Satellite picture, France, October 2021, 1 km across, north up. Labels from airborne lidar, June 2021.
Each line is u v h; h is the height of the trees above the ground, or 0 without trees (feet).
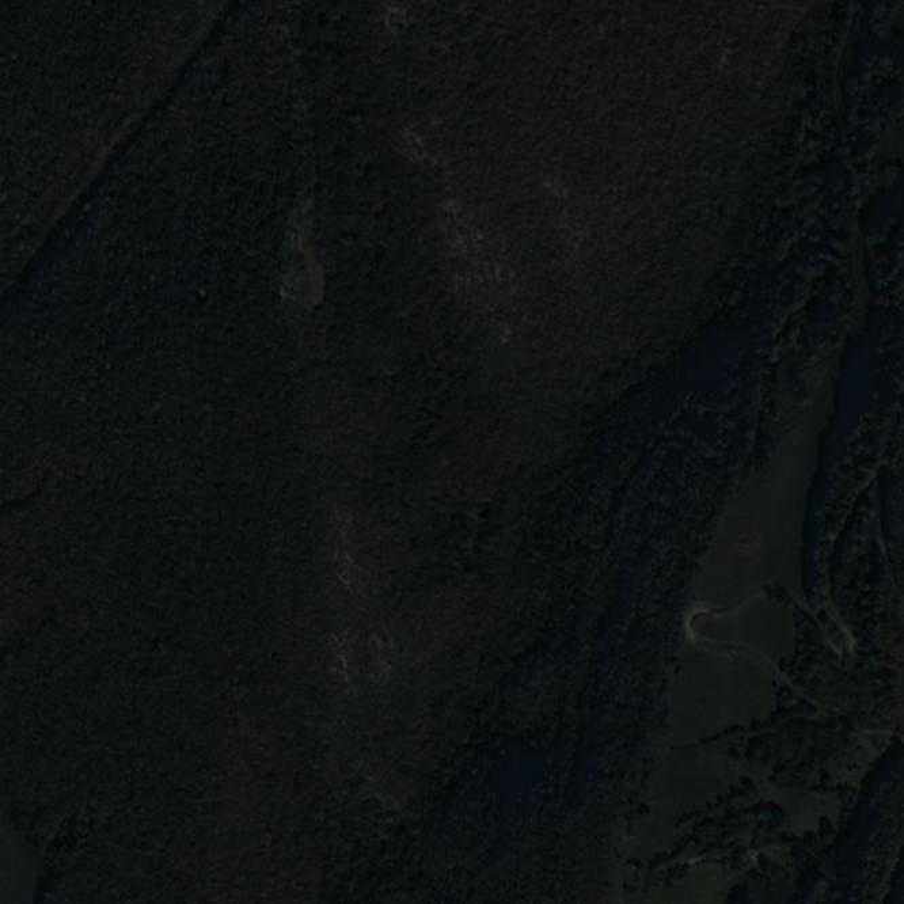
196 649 76
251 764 36
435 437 67
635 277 43
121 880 69
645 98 35
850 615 24
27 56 53
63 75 77
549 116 33
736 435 65
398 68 33
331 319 41
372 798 67
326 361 38
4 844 0
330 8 64
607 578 74
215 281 91
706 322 101
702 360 81
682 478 104
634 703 92
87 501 67
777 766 22
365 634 23
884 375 66
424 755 61
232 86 80
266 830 39
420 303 66
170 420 55
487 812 65
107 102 68
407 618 51
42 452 60
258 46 73
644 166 31
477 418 79
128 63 56
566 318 35
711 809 24
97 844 62
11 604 73
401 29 28
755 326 85
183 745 64
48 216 61
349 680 20
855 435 81
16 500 38
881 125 34
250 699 54
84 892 67
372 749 28
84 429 58
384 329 63
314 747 73
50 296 72
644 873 32
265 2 57
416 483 61
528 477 71
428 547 69
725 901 0
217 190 81
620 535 67
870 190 0
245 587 62
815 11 65
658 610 80
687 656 0
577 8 41
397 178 57
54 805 76
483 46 33
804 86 82
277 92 67
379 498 49
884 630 80
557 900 66
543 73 26
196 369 54
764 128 55
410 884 78
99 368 72
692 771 0
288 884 55
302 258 21
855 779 0
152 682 74
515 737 76
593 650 95
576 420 74
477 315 22
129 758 68
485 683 102
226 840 46
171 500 68
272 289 70
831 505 56
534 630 104
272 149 80
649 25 35
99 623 70
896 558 37
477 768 105
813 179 76
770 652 0
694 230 53
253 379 78
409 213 67
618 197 20
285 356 66
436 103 33
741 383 75
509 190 27
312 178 28
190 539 66
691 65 33
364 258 52
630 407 79
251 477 61
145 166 45
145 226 69
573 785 60
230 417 71
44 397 74
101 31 66
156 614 74
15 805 65
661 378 91
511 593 78
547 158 22
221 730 54
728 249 69
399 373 25
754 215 87
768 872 59
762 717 0
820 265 66
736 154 48
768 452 32
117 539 82
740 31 38
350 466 40
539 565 108
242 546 64
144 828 71
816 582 78
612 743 110
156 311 61
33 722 65
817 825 0
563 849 60
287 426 73
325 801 74
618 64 29
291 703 66
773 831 58
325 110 39
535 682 102
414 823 56
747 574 0
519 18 28
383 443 54
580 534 85
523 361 33
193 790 60
